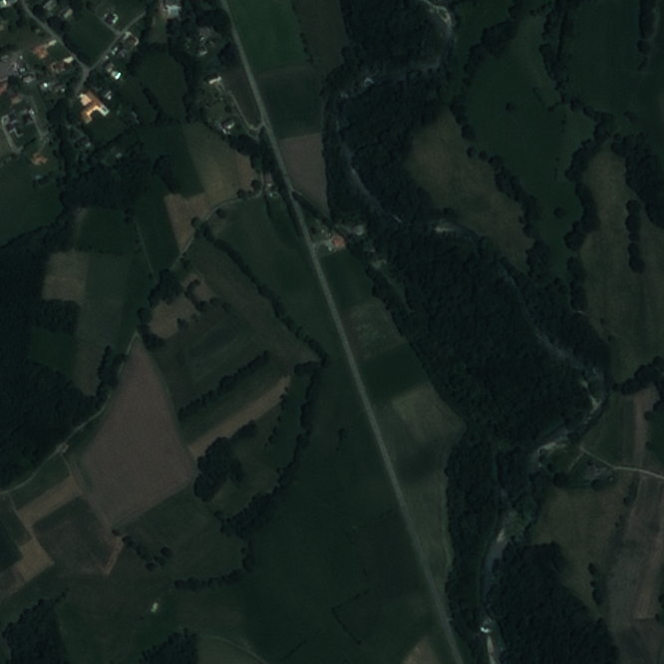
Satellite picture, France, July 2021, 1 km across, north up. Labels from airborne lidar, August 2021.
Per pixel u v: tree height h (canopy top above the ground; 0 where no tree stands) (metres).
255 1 0
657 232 0
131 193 25
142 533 0
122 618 0
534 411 19
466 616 23
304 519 0
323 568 0
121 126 0
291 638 0
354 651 0
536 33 0
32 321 24
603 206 0
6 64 0
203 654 0
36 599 0
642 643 0
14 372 17
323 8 0
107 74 5
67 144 14
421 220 30
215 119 0
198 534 0
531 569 30
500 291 36
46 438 21
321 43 0
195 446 0
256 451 0
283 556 0
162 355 0
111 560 0
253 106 0
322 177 0
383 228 29
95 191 34
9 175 0
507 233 0
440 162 0
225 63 16
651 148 5
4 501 0
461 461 27
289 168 0
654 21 22
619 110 0
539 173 0
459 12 30
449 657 0
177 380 0
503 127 0
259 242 0
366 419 0
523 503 23
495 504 22
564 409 22
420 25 9
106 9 0
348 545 0
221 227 0
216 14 18
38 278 22
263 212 0
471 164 0
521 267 0
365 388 0
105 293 0
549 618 37
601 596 19
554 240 0
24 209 0
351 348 0
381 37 26
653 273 0
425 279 20
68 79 7
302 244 0
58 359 0
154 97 15
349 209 15
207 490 20
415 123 15
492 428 12
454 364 22
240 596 0
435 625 0
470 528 26
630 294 0
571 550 0
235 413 0
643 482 0
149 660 17
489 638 0
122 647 0
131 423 0
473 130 16
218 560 0
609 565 0
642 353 0
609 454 0
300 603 0
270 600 0
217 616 0
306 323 0
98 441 0
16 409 17
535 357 17
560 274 0
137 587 0
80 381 0
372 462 0
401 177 27
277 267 0
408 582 0
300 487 0
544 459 17
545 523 0
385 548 0
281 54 0
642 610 0
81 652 0
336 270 0
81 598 0
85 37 0
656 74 0
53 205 0
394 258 20
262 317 0
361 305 0
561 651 32
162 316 0
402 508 0
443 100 28
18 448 10
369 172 22
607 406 12
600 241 0
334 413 0
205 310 17
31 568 0
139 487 0
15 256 22
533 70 0
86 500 0
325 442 0
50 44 0
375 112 24
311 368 17
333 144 20
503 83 0
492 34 21
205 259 0
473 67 15
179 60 17
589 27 0
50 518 0
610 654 9
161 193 0
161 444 0
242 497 0
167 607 0
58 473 0
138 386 0
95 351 0
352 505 0
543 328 22
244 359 0
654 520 0
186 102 11
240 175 0
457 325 20
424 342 25
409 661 0
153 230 0
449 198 0
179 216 0
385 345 0
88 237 0
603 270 0
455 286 17
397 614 0
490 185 0
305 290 0
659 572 0
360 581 0
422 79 30
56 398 24
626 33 0
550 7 14
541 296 22
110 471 0
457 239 19
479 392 28
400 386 0
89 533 0
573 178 17
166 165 22
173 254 0
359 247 15
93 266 0
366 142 19
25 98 0
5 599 0
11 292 27
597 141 11
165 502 0
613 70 0
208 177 0
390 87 22
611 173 0
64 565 0
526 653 21
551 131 0
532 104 0
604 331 0
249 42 0
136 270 0
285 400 17
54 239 24
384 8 26
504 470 23
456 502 18
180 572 0
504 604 23
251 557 15
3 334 23
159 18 0
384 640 0
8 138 0
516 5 10
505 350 21
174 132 0
